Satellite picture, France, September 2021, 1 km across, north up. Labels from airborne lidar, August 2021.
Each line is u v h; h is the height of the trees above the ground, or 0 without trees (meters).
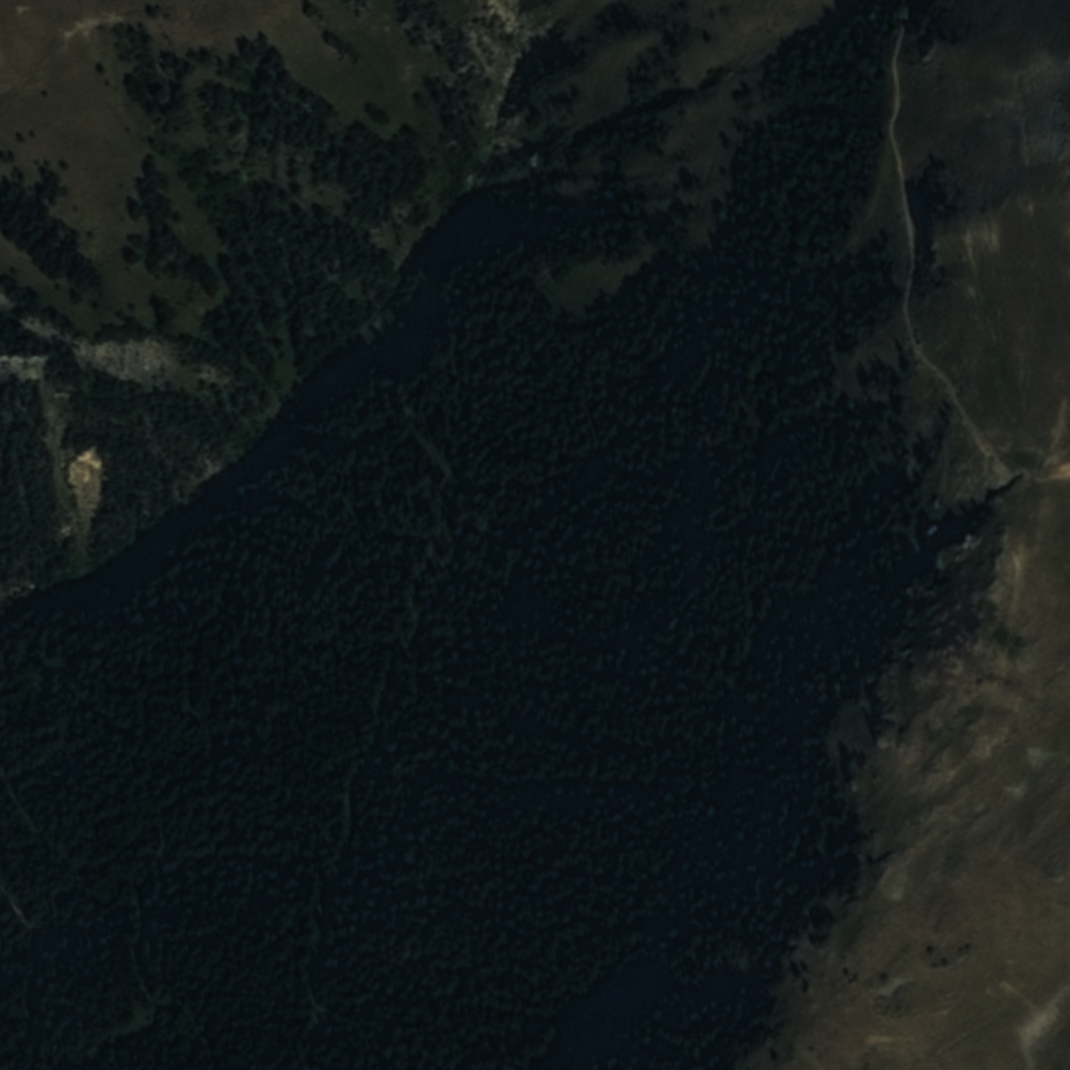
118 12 0
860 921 0
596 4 0
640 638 21
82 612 21
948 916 0
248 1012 16
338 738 12
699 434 25
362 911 27
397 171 13
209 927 17
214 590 22
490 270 19
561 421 14
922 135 0
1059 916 0
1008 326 0
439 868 22
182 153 6
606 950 25
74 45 0
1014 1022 0
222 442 6
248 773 23
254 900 17
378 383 15
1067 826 0
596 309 9
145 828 12
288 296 27
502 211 8
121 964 19
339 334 6
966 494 0
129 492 7
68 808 26
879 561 25
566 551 24
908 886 0
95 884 20
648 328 32
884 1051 0
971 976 0
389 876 15
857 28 12
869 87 8
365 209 18
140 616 26
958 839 0
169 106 9
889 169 0
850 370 0
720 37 0
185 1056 23
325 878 20
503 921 12
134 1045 13
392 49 0
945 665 0
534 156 8
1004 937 0
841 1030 0
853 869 12
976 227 0
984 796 0
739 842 8
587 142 11
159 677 16
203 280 18
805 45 7
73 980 22
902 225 0
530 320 25
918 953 0
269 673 15
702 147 0
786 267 12
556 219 12
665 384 32
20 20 0
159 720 25
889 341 0
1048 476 0
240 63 12
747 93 14
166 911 15
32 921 20
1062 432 0
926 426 0
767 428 23
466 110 13
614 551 24
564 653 22
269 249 15
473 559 28
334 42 18
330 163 20
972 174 0
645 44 0
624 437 20
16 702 14
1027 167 0
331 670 11
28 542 20
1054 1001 0
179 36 0
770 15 0
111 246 0
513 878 25
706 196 0
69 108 0
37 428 17
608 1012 19
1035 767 0
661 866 27
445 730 32
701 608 22
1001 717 0
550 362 14
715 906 9
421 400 26
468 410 35
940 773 0
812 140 7
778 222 11
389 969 25
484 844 21
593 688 16
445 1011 14
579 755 17
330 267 22
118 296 0
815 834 16
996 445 0
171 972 10
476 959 28
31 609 11
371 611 29
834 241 9
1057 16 0
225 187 18
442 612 20
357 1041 11
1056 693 0
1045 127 0
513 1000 12
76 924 30
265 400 16
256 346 20
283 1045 14
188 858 24
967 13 0
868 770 0
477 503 27
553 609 20
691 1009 14
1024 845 0
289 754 13
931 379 0
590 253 15
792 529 28
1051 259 0
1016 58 0
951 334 0
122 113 0
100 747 12
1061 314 0
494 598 14
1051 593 0
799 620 26
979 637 0
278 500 22
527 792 11
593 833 27
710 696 9
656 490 25
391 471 20
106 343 10
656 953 36
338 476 28
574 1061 12
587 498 29
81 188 0
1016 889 0
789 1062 0
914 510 15
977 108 0
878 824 0
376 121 15
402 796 11
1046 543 0
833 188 9
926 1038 0
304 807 12
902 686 0
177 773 15
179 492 7
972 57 0
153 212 13
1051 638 0
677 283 29
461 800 21
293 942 12
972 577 0
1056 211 0
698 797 17
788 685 10
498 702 19
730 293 21
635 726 26
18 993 25
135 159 0
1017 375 0
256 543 28
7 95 0
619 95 0
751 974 0
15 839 25
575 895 22
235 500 24
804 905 14
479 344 12
